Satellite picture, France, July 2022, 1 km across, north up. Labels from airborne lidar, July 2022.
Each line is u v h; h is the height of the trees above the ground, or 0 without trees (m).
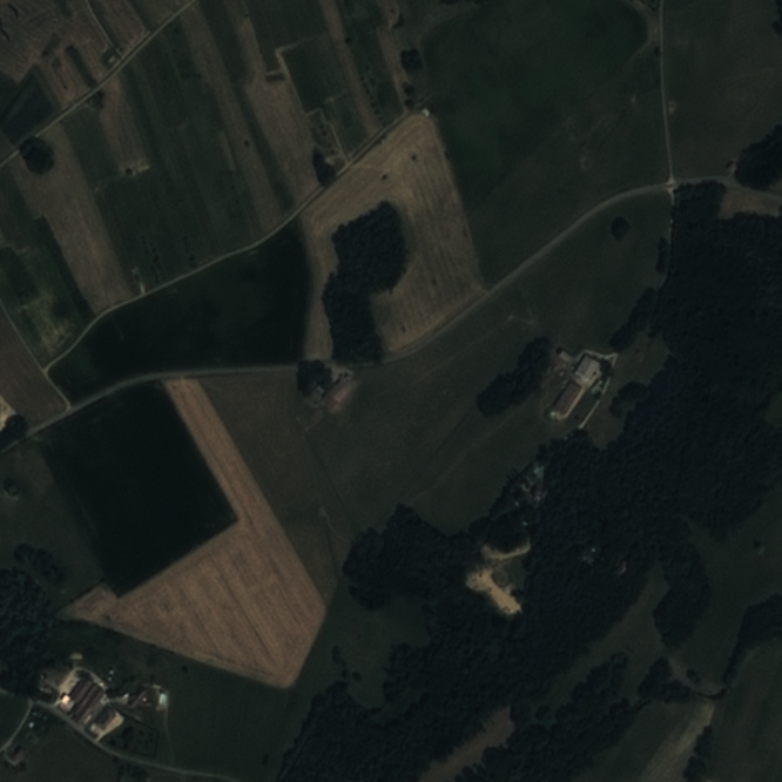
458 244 0
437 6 0
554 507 21
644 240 0
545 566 18
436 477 0
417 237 0
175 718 0
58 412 0
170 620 0
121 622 0
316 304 0
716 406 15
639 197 0
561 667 13
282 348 0
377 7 0
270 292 0
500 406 17
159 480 0
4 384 0
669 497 16
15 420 16
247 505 0
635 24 0
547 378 0
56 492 0
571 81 0
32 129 0
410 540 24
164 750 0
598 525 16
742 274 8
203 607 0
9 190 0
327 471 0
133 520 0
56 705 0
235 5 0
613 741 17
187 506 0
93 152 0
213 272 0
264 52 0
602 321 0
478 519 0
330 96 0
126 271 0
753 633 21
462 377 0
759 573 0
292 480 0
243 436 0
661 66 0
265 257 0
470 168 0
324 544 0
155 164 0
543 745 12
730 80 0
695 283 9
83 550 0
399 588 16
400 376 0
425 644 0
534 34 0
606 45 0
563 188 0
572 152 0
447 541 27
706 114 0
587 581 13
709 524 18
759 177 17
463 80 0
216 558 0
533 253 0
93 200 0
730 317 9
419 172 0
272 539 0
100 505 0
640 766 0
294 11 0
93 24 0
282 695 0
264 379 0
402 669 17
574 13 0
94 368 0
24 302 0
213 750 0
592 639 13
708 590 16
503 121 0
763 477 22
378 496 0
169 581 0
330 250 0
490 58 0
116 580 0
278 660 0
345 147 0
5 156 0
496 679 20
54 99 0
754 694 0
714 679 0
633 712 20
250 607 0
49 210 0
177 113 0
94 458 0
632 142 0
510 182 0
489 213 0
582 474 16
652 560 11
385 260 23
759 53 0
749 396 8
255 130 0
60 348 0
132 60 0
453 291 0
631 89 0
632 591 13
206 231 0
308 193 0
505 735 0
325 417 0
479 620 21
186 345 0
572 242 0
